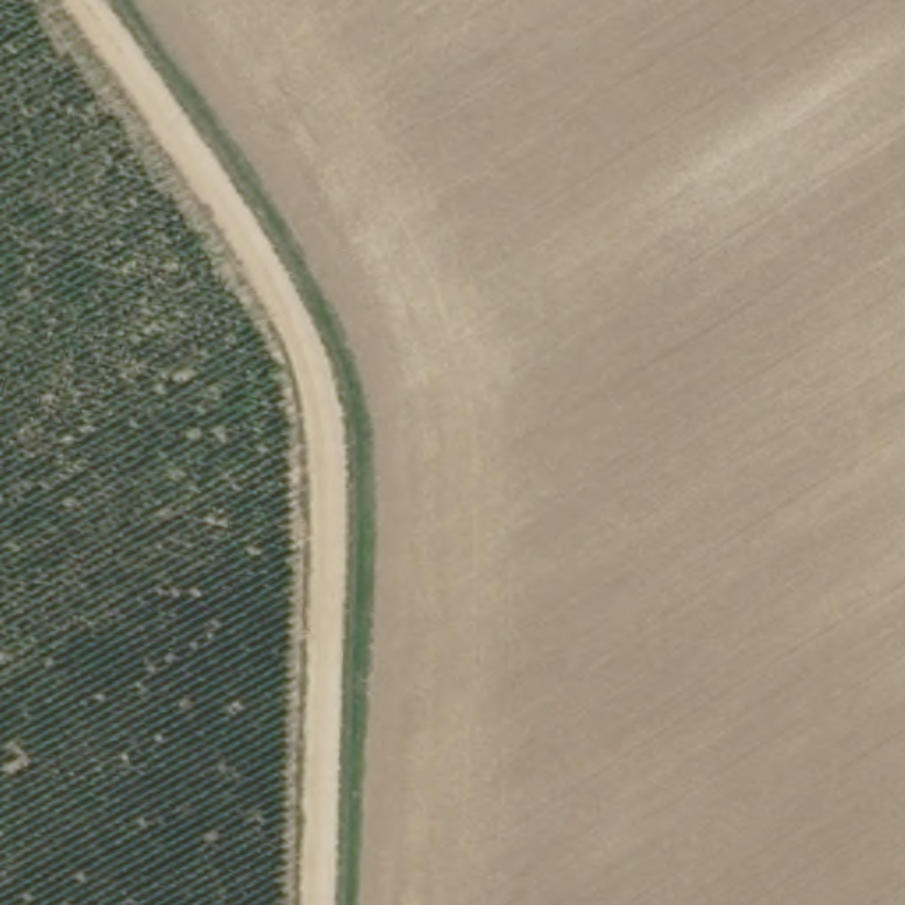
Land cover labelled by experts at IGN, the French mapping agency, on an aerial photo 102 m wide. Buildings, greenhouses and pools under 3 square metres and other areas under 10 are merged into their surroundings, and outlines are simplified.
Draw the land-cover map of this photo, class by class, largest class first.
<instances>
[{"label":"plowed land","instance_id":"1","mask_svg":"<svg viewBox=\"0 0 905 905\"><path fill-rule=\"evenodd\" d=\"M166 42V49L209 99L230 138L240 145L262 187L286 219L293 240L300 244L311 276L318 279L329 308L336 311L346 332V346L354 354L371 417L375 597L357 905H905V0H134Z\"/></svg>","mask_w":905,"mask_h":905},{"label":"vineyard","instance_id":"2","mask_svg":"<svg viewBox=\"0 0 905 905\"><path fill-rule=\"evenodd\" d=\"M311 467L300 385L290 364L286 339L269 318L265 304L258 300L255 283L244 272V262L230 247L212 209L198 198V191L173 163V156L152 134L148 117L120 85L113 67L95 53L74 14L64 7V0H0V905H300L304 714L311 626Z\"/></svg>","mask_w":905,"mask_h":905},{"label":"pervious surface","instance_id":"3","mask_svg":"<svg viewBox=\"0 0 905 905\"><path fill-rule=\"evenodd\" d=\"M64 7L74 14L95 53L113 67L120 85L148 117L152 134L173 156V163L198 191V198L212 209L230 247L244 262V272L255 283L258 300L265 304L269 318L286 339L290 364L300 385L311 467V626L304 714L300 905H336L346 605V428L332 364L290 272L272 251L255 212L244 205L212 148L202 141L187 113L177 106L156 67L145 60V53L138 49V42L106 0H64Z\"/></svg>","mask_w":905,"mask_h":905},{"label":"herbaceous vegetation","instance_id":"4","mask_svg":"<svg viewBox=\"0 0 905 905\"><path fill-rule=\"evenodd\" d=\"M138 42V49L145 53V60L156 67L177 106L187 113L202 141L212 148L244 205L255 212L272 251L290 272L332 364L346 428V605L336 905H357L375 597L371 417L354 354L346 346V332L336 311L329 308L318 279L311 276L300 244L293 240L286 219L262 187L240 145L230 138L209 99L166 49V42L134 0H106Z\"/></svg>","mask_w":905,"mask_h":905}]
</instances>
